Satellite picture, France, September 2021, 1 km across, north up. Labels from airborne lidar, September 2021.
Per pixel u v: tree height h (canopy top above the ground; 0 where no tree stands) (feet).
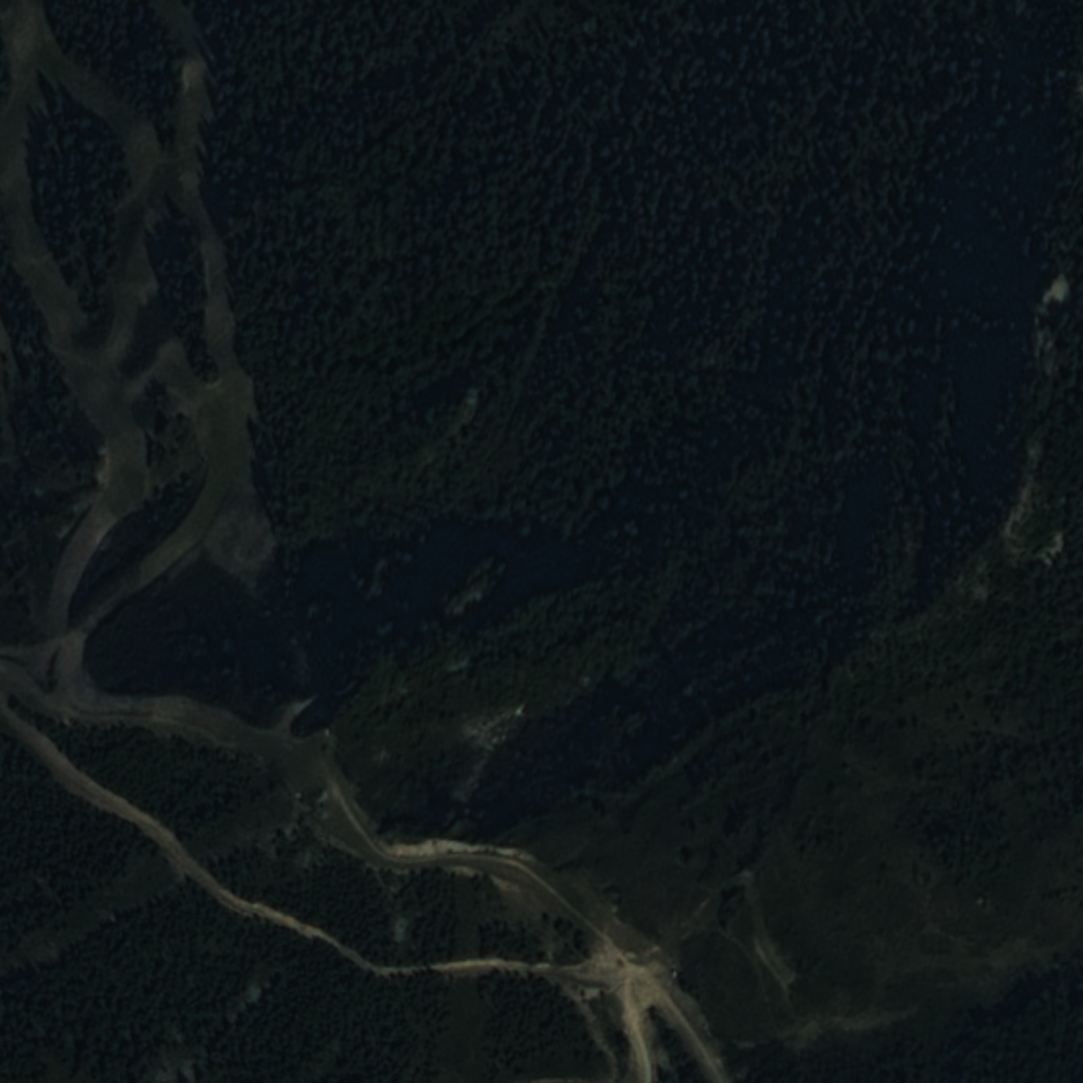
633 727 32
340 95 70
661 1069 0
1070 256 20
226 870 38
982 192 87
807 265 27
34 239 0
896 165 103
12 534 21
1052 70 29
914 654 26
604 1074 0
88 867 45
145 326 0
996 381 38
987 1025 24
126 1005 59
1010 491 30
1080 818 22
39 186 61
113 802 0
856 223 21
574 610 23
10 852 41
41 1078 52
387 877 38
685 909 0
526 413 20
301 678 0
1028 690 23
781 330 63
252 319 17
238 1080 30
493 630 32
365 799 0
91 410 0
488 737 0
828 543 21
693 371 25
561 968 0
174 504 21
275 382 31
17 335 56
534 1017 49
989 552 32
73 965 46
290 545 23
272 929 22
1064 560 43
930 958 0
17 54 0
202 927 26
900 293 38
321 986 28
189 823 19
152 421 0
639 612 21
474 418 27
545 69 25
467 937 0
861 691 34
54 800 24
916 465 25
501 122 102
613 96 108
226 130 51
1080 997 29
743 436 31
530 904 0
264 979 0
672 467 23
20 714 47
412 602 31
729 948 0
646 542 34
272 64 59
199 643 23
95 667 0
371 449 23
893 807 0
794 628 22
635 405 28
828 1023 0
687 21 97
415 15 83
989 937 0
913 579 21
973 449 20
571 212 49
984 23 28
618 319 32
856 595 21
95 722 0
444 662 29
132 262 0
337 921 34
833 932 0
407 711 35
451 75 82
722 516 25
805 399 26
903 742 0
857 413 22
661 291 96
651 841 0
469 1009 0
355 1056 46
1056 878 0
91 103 0
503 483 21
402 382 38
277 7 66
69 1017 88
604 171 65
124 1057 47
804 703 22
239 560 0
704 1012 0
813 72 89
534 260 43
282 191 32
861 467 19
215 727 0
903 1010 0
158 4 0
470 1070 0
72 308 0
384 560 31
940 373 25
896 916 0
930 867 0
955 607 27
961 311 37
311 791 0
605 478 24
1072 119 30
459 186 30
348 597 26
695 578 24
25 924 51
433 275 71
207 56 0
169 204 0
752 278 45
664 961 0
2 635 0
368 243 24
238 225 52
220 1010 31
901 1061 24
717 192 54
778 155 81
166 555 0
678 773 0
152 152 0
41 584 0
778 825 0
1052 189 58
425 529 31
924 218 25
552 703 0
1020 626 33
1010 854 23
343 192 40
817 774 0
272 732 0
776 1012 0
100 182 28
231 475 0
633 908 0
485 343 56
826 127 24
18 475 0
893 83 24
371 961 30
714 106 93
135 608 0
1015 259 46
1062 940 0
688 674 21
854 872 0
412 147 36
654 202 84
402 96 95
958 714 29
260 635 0
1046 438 20
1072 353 34
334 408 27
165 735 0
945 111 104
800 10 83
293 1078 48
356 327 21
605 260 42
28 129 0
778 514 31
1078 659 36
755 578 23
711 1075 0
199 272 20
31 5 0
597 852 0
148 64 73
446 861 0
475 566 35
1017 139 54
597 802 0
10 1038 60
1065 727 31
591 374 35
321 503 25
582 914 0
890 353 27
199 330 37
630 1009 0
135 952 39
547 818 0
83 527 0
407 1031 40
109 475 0
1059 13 51
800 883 0
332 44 67
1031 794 32
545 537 22
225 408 0
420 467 29
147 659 0
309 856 0
